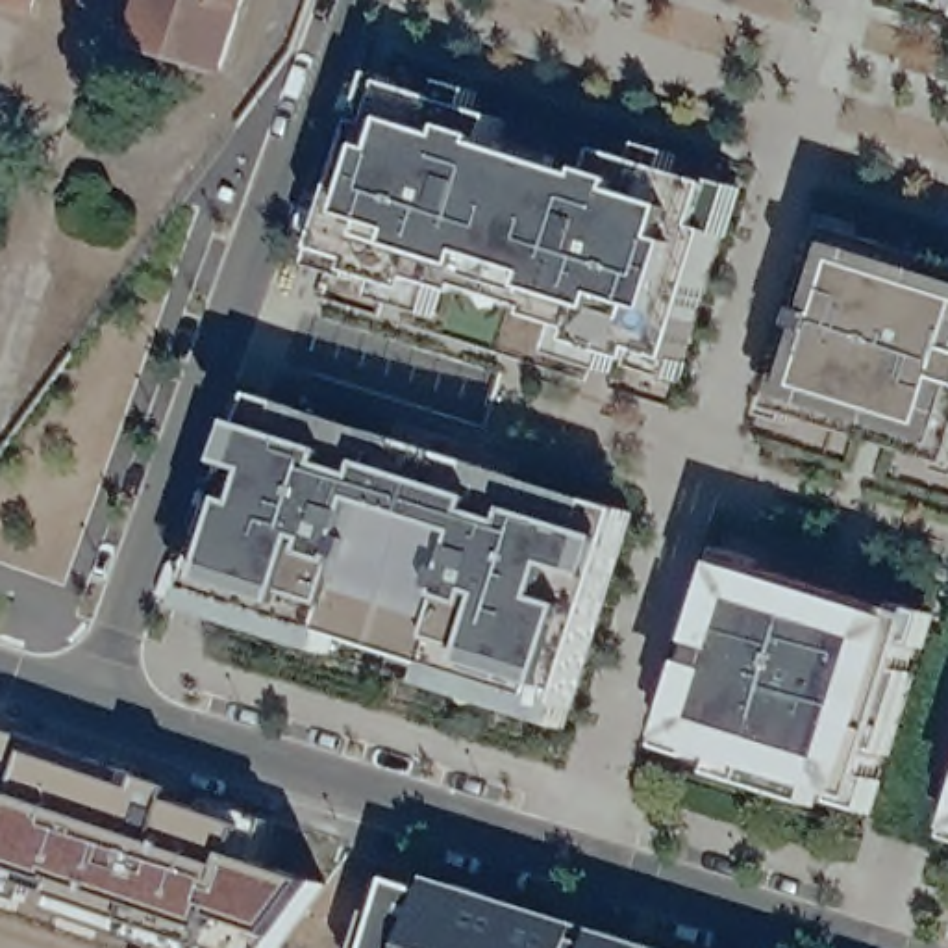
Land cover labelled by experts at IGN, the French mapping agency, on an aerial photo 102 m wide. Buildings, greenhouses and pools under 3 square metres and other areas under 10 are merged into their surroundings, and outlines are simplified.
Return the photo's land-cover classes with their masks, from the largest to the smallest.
<instances>
[{"label":"impervious surface","instance_id":"1","mask_svg":"<svg viewBox=\"0 0 948 948\"><path fill-rule=\"evenodd\" d=\"M130 0H0V115H15L26 100L37 111V130L52 133L56 141L48 148L44 174L22 185L19 196L7 204V244L0 248V455L7 448L4 437L15 433L33 396L44 389L59 370V359L85 333L78 326L81 307L96 304L107 296L111 281L130 263L119 248H100L59 230L56 189L63 181V170L74 178L111 174V200L122 204L130 215L141 207L159 222L170 204H181L189 211V248L181 256L178 278L170 281V296H163L159 304H141V322H111L104 326L96 348L85 356L78 378L70 381V396L56 400L48 415L33 430H26L22 459L0 474V733H7V744L15 752L70 767L100 781H152L159 785V796L167 804L211 818L226 811H244L252 818V830L278 852L300 848L307 830L341 833L363 855H381L378 878L407 881L415 874H430L655 948H948V911H941L937 929L915 926L911 918L915 911H937V889L922 881L926 855L915 844L874 833L870 815H859L863 841L855 859L833 863L811 859L800 844H785L759 855L755 848L741 844L737 826L689 811L685 822H670V833L685 837L696 852H689L685 863L674 867L667 878H655L644 859L652 852V826L630 796V778H637L644 767L685 774L692 763L648 752V718L659 674L678 648L674 630L696 563L741 570L755 555H767L778 541L792 537L800 526L815 533L811 544L826 559H848L855 548H863V541L870 537L892 544H926L933 537V548L948 552V518L926 507H904L900 500H885L881 493H867L863 481L870 474L881 478L892 470V463L859 452L848 474L841 478L837 500L818 493H796L800 474L767 467L755 444L778 441L789 448L818 444L841 452V444L804 430L789 415L763 407L755 396L744 393L752 370H774L781 344V311L796 304V289L811 248L830 244L889 267H904L911 256L926 252L948 259V185L937 181L915 159H904L896 167L878 141H855L837 122V111L852 115L855 104L881 107L892 96L904 104L911 119H922L929 111L926 74H896V59L874 52L863 41L870 22L896 26L900 11L889 0H430V33L407 37L396 11H404L407 0H233L218 48V74L196 78L200 93L167 111L163 130L144 133L126 152L93 148L70 133L78 78L104 70H141L178 78V70L141 52L126 26ZM493 26L507 30V41L522 56L518 63L496 67L489 63L485 48L470 56L448 52V41L463 37L467 30ZM541 33H548L570 63L552 81H541L530 63ZM352 70L407 89L418 78H448L470 89L474 107L500 122V137L493 141V148L537 163L570 167L585 148L618 152L626 141H644L663 148V170L685 178H715L730 185V159H752L748 207L741 218L748 241L733 244L730 263L737 281L730 296L715 300L711 318L718 326V337L700 348L692 370L696 404H644L633 400L637 389L626 385V374H618L615 367L607 374H593L581 363L537 356V330L530 322H511L500 307H474L470 300L448 293L437 300L433 318H422L415 315V307L389 300L385 293L341 281L330 270V259L296 252L289 267H278L274 274L259 259L267 241L263 226L293 233V215L311 207L315 185L330 181L337 148L359 137L363 119L381 96L370 89L356 100H344ZM722 74L741 81H752L759 74L755 96L744 107L730 104L715 93L722 85ZM678 100L707 104L715 119L744 115V137L718 148L707 137L704 122H674L667 115V107ZM148 352L156 359L181 356L170 389L137 385L148 367ZM241 389L315 411L341 426H363L385 437L459 455L485 470H504L559 493L618 507V481H630L644 493L652 515V541L644 544L633 552L630 563L633 593L622 596L611 626L622 644L618 667L596 674L593 722L581 726L570 744L567 767L555 770L537 759H522L474 741H455L433 726L400 718L378 711L326 692H311L285 678H263L207 659L204 622L193 615H167L156 600V585L163 567L185 552L200 500L222 489V470L204 463V444L211 422L230 411L233 393ZM122 426L156 433L152 441L163 448L156 463L141 467L130 459L133 444L122 437ZM744 863H763L759 889L733 904V892L722 881L726 870H737Z\"/></svg>","mask_w":948,"mask_h":948},{"label":"building","instance_id":"2","mask_svg":"<svg viewBox=\"0 0 948 948\"><path fill-rule=\"evenodd\" d=\"M233 0H130L126 26L141 52L178 70L196 78L218 74V48ZM370 89L381 96L363 119L359 137L337 148L330 181L315 185L311 207L293 215V233L296 252L330 259V270L341 281L385 293L389 300L415 307V315L422 318H433L437 300L448 293L470 300L474 307H500L511 322H530L537 330V356L581 363L593 374H607L615 367L618 374H626V385L637 389L667 393L670 381H678L700 293L715 256L737 200V189L730 185L715 178H685L663 170V148L644 141H626L618 152L585 148L570 167L537 163L493 148V141L500 137V122L474 107L470 89L448 78H418L407 89L352 70L344 100H356ZM744 393L755 396L763 407L789 415L804 430L841 444H859V452L892 463V470L933 485H948V259L926 252L911 256L904 267H889L830 244L811 248L796 289V304L781 311V344L774 370H752ZM204 463L222 470V489L200 500L185 552L163 567L156 585V600L167 615H193L204 622H218L248 637L318 655L352 648L404 667V678L418 689L441 692L455 704L485 707L504 718H526L548 730L563 726L567 718L626 526L630 518L618 507L559 493L504 470H485L459 455L385 437L363 426H341L315 411L241 389L233 393L230 411L211 422L204 444ZM929 622V615L915 611H859L741 570L696 563L674 630L678 648L659 674L648 718V752L692 763L700 778L730 785L737 792H755L774 804H818L859 815H870L881 770L878 763L892 748L904 700L911 689L907 663L926 644ZM278 859V852L252 830V818L244 811H226L211 818L167 804L159 796V785L152 781H100L70 767L15 752L7 744V733H0V907L48 911L56 926L74 929L81 937H96L111 926L119 929V937L148 948H281L296 922L318 900V885L267 870ZM933 837L941 844H948V774L933 811ZM348 948H655L430 874H415L407 881L378 878H370L363 907L352 918Z\"/></svg>","mask_w":948,"mask_h":948},{"label":"deciduous trees","instance_id":"3","mask_svg":"<svg viewBox=\"0 0 948 948\"><path fill-rule=\"evenodd\" d=\"M430 0H407L404 11H396L407 37L430 33ZM485 48L489 63L496 67L518 63L522 56L507 41V30L493 26L467 30L463 37L448 41V52L470 56ZM530 63L541 81H552L570 63L548 33H541ZM200 93L196 78L178 70V78L141 70H104L78 78L70 133L93 148L126 152L144 133L163 130L167 111ZM759 74L752 81H741L722 74V85L715 93L730 104L744 107L755 96ZM56 141L52 133L37 130V111L26 100L15 115H0V248L7 244V204L19 196L22 185L44 174L48 148ZM667 115L674 122H704L707 137L718 148L744 137V115L715 119L707 104L678 100L667 107ZM111 174L74 178L63 170V181L56 189L59 230L100 248H119L130 263L111 281L107 296L96 304L111 322H141V304H159L163 296H170V281L178 278L181 256L189 248V211L181 204H170L159 222L141 207L130 215L122 204L111 200ZM267 241L259 259L274 274L278 267H289L296 252L293 233L263 226ZM737 281L730 263L715 256L700 293L678 381H670L667 393L637 389L633 400L644 404H696L692 370L700 348L718 337V326L711 318L715 300L730 296ZM181 356L156 359L148 352V367L137 385L170 389ZM70 396V381L59 378L56 389H44L33 396L15 433L4 437L7 448L0 455V474L22 459L26 430H33L48 415L56 400ZM122 437L133 444L130 459L141 467L156 463L163 448L152 441L156 433L122 426ZM644 544L641 533L626 526L567 718L581 726L593 722L596 674L618 667L622 644L611 626L622 596L633 593L630 563L633 552ZM870 563H885L900 581L922 593V604L915 611L929 615V622L937 615L948 618V552L933 548V537L926 544H892L870 537L863 541V548ZM630 796L652 826V852L644 859L655 878H667L674 867L685 863L689 852H696L685 837L670 833V822H685L689 811L737 826L741 844L755 848L759 855L785 844H800L811 859L833 863L855 859L863 841L859 815L818 804H774L755 792H737L730 785L700 778L692 763L685 774L644 767L637 778H630ZM922 881L937 889V911H915L911 918L915 926L937 929L941 911H948V844H941L926 855ZM763 863H744L737 870H726L722 881L733 892V904L759 889Z\"/></svg>","mask_w":948,"mask_h":948},{"label":"herbaceous vegetation","instance_id":"4","mask_svg":"<svg viewBox=\"0 0 948 948\"><path fill-rule=\"evenodd\" d=\"M863 41L874 52L896 59V74H926L929 111L922 119H911L904 104L892 96L881 107L855 104L852 115L837 111V122L855 141H878L896 167L904 159H915L937 181L948 185V74L937 67V52L929 48L900 52L896 26L870 22ZM815 533L800 526L792 537L778 541L767 555H755L741 570L859 611H915L922 604V593L900 581L885 563H870L863 548H855L848 559H826L811 544ZM911 689L904 700L892 748L878 763L881 770L870 815L874 833L915 844L926 855L941 844L933 837V811L948 774V618L937 615L929 622L926 644L907 663ZM326 667L363 670V678L385 681L389 692L378 711L400 718L418 689L404 678V667L352 648L318 655ZM267 870L318 885V900L296 922L281 948H348L352 918L363 907L370 878H378L381 855H363L341 833L307 830L300 848L278 852V859ZM0 948H148L119 937V929L111 926L96 937H81L74 929L56 926L48 911L0 907Z\"/></svg>","mask_w":948,"mask_h":948},{"label":"brushwood","instance_id":"5","mask_svg":"<svg viewBox=\"0 0 948 948\"><path fill-rule=\"evenodd\" d=\"M900 11L896 26L900 52L929 48L937 52V67L948 74V0H889ZM730 185L737 189V200L715 256L730 263L733 244L748 241L741 218L748 207L752 159H730ZM111 322L96 304L81 307L78 326L85 333L59 359V370L44 389H56L59 378L70 381L78 378L85 356L96 348L104 326ZM767 467L800 474L796 493H818L837 500L841 478L848 474L859 452V444H841V452L818 444L789 448L778 441L755 444ZM867 493H881L885 500H900L904 507H926L948 518V485H933L892 470L881 478L870 474L863 481ZM618 507L630 518L626 526L641 533L644 544L652 541V515L644 493L630 481H618ZM207 659L263 678H285L311 692H326L378 711L389 692L385 681L363 678V670L326 667L318 655L248 637L218 622H204ZM400 718L433 726L455 741H474L522 759H537L555 770L567 767L570 744L581 726L567 718L563 726L548 730L526 718H504L485 707L455 704L441 692L418 689Z\"/></svg>","mask_w":948,"mask_h":948}]
</instances>
